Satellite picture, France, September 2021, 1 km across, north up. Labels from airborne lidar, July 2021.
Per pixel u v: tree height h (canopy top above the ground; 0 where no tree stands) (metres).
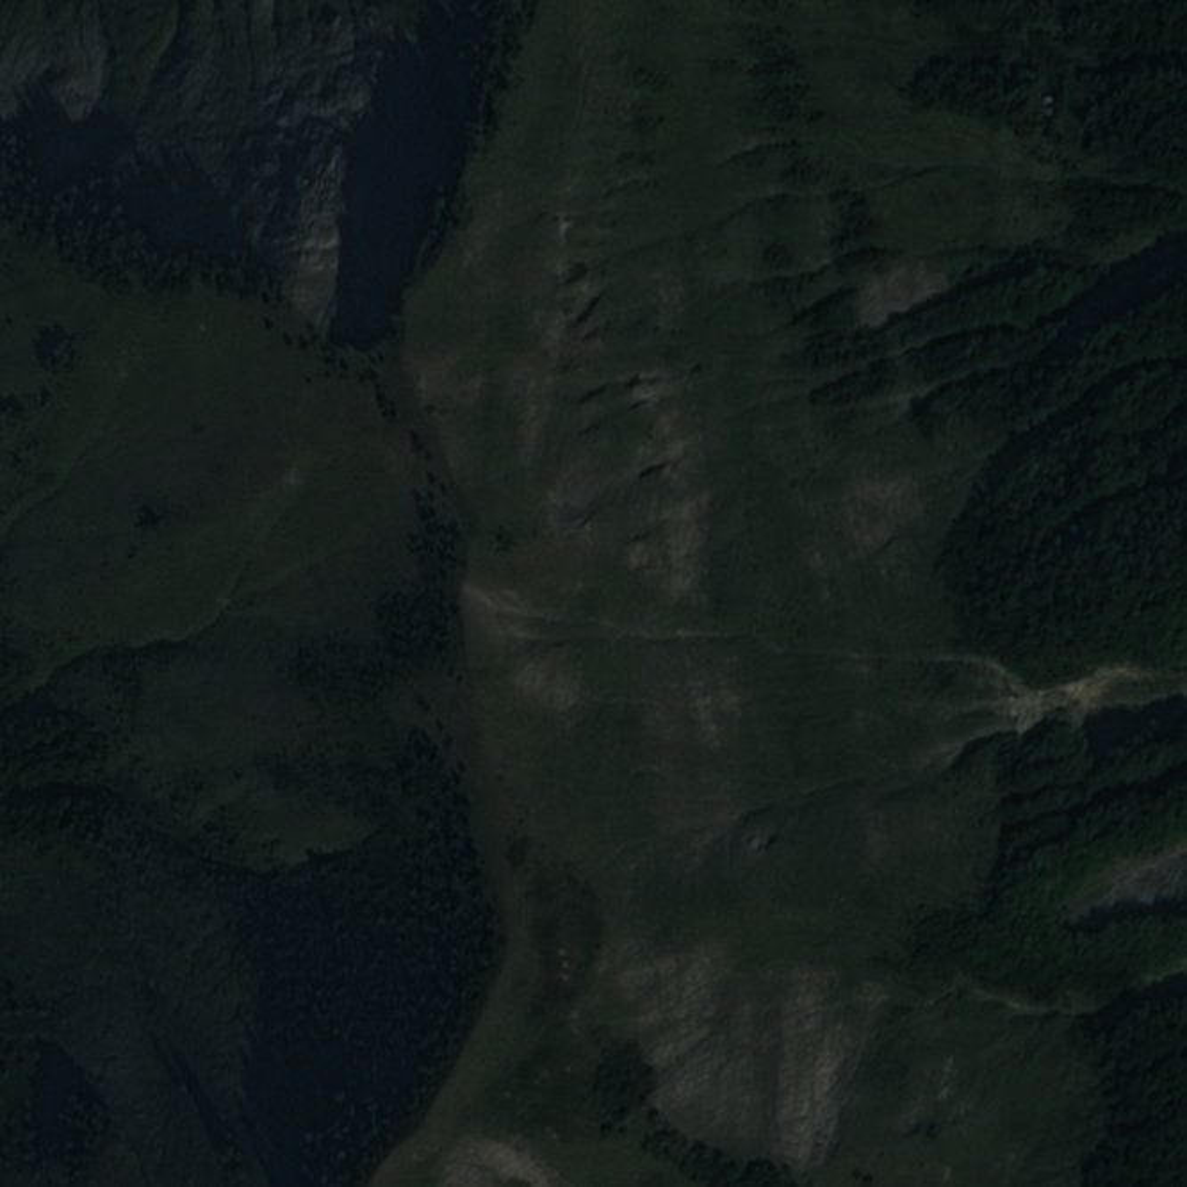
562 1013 0
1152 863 0
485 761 0
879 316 0
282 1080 0
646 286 0
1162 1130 14
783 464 0
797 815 0
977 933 17
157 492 0
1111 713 0
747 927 0
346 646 0
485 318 0
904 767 0
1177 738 31
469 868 9
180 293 13
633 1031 0
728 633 0
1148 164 26
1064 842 22
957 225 0
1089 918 0
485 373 0
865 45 0
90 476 0
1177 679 6
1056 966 18
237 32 0
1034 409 6
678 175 0
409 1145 0
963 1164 0
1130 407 21
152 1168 0
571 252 0
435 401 0
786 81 9
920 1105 0
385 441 0
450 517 0
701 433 0
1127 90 19
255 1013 0
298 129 0
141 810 0
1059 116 12
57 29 0
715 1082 0
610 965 0
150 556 0
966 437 0
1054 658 6
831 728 0
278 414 0
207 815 0
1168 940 18
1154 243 0
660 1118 13
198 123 0
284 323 0
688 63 0
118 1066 0
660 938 0
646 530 0
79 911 0
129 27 0
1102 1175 12
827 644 0
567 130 0
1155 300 19
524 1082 0
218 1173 0
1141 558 20
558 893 0
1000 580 8
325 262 0
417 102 0
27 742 13
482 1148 0
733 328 0
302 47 0
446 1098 0
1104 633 21
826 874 0
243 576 0
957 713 0
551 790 0
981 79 12
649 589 0
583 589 0
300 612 0
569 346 0
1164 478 10
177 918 0
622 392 0
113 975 0
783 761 0
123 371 0
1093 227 7
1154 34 22
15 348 0
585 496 0
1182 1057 12
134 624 0
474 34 8
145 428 0
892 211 0
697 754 0
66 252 19
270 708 0
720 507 0
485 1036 0
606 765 0
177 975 0
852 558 0
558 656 0
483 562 0
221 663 0
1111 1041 14
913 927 8
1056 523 12
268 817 0
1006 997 0
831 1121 0
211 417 0
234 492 0
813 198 0
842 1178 0
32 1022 0
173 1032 0
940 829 0
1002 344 19
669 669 0
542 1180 0
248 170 0
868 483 0
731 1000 0
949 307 14
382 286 0
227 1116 0
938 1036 0
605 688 0
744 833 0
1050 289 23
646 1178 0
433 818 7
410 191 0
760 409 0
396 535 0
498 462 0
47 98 0
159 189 0
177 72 0
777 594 0
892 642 0
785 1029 0
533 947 0
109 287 16
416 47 0
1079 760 24
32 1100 0
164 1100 0
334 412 0
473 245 0
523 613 0
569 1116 0
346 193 0
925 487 0
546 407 0
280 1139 0
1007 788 13
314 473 0
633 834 0
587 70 0
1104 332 22
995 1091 0
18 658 7
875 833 0
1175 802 24
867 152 0
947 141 0
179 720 0
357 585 0
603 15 0
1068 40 16
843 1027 0
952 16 13
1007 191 0
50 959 0
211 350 0
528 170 0
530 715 0
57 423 0
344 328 0
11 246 0
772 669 0
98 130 0
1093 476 17
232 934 0
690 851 0
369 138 0
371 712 0
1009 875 17
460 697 0
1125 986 11
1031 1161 0
